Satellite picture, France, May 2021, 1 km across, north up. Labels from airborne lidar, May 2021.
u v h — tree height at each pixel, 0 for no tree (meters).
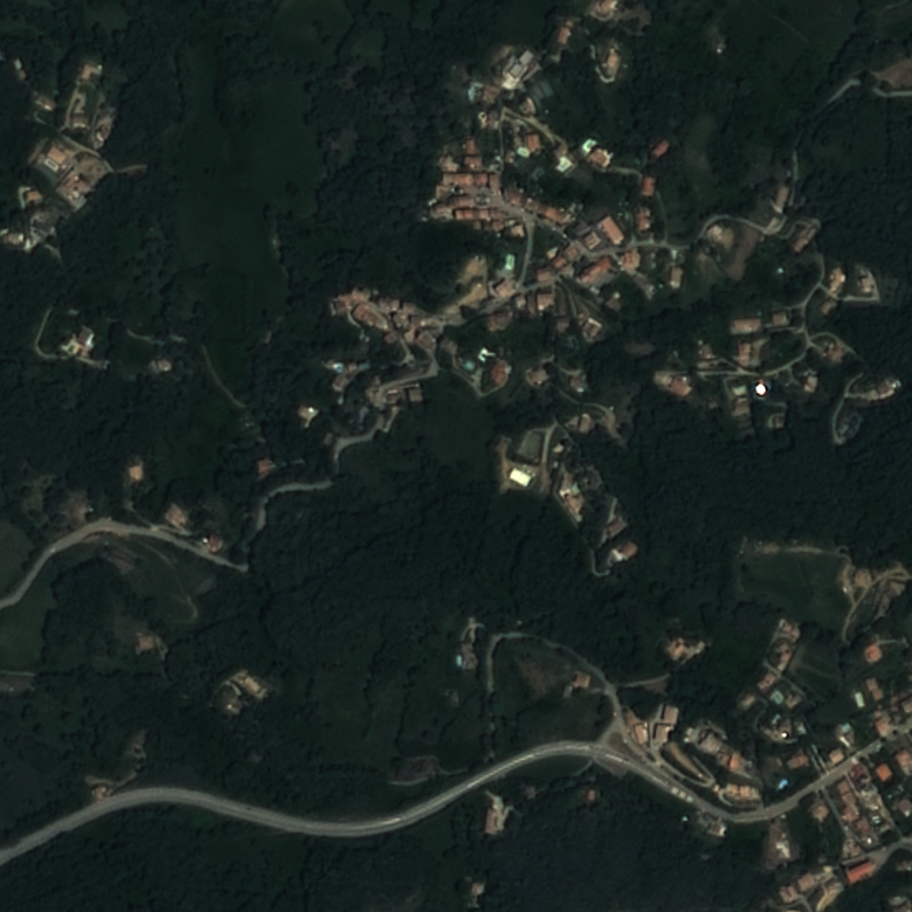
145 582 0
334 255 11
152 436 13
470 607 6
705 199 0
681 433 12
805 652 0
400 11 0
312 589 10
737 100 10
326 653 16
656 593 10
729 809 9
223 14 6
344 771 16
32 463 10
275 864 7
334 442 10
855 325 9
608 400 0
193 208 0
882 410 6
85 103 0
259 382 12
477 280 0
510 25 0
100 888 14
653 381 12
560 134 7
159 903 14
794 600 0
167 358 10
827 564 0
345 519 15
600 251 0
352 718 0
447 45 17
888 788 11
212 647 15
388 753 0
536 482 0
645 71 9
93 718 9
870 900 16
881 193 9
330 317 7
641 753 0
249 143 0
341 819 0
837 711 0
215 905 14
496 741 10
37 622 0
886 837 10
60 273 13
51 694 7
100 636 7
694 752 10
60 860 11
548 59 7
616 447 10
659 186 10
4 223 13
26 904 11
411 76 8
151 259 10
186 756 10
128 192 10
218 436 7
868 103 8
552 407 13
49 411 16
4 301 10
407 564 16
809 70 7
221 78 10
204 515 9
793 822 0
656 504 18
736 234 0
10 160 11
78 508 0
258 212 0
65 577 16
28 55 19
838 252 13
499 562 15
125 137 10
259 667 13
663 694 8
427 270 7
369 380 13
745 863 13
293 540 15
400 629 14
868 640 13
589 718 0
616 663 8
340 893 18
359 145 10
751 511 13
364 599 9
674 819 18
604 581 8
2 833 10
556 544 13
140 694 14
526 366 0
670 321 12
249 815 0
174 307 13
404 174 12
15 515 13
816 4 0
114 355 14
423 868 8
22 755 13
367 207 8
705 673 10
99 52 7
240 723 13
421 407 15
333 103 12
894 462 11
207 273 13
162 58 13
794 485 12
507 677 0
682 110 8
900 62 0
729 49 8
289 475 11
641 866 6
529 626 10
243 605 11
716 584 11
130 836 13
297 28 0
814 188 14
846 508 15
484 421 0
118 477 9
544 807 13
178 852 15
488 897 14
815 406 7
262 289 0
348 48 8
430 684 0
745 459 18
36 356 15
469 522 14
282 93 0
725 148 6
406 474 11
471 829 10
